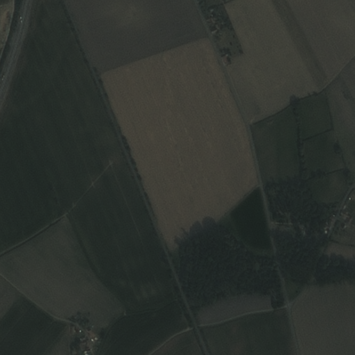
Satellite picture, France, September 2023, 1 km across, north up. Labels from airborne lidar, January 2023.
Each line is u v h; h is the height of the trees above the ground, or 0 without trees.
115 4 0
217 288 20
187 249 35
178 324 0
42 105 0
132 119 0
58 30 0
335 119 0
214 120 0
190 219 0
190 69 0
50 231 0
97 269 0
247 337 0
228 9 0
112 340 0
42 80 0
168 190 0
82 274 0
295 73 0
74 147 0
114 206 0
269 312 0
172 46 0
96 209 0
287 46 0
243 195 0
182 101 0
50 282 0
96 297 0
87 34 0
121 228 0
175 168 0
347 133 0
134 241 0
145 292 0
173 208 0
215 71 0
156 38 0
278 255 16
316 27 0
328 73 0
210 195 0
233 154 0
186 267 25
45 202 0
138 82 0
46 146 0
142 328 0
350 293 0
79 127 0
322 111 0
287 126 0
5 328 0
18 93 0
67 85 0
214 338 0
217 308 0
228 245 28
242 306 0
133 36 0
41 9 0
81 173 0
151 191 0
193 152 0
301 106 0
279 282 9
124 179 0
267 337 0
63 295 0
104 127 0
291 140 0
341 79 0
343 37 0
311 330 0
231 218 0
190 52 0
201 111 0
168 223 0
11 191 0
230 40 0
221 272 28
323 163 0
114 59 0
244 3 0
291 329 0
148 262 0
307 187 26
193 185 0
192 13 0
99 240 0
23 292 0
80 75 0
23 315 0
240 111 0
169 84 0
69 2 0
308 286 0
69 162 0
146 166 0
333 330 0
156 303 0
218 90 0
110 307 0
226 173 0
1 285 0
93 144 0
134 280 0
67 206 0
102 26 0
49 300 0
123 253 0
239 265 27
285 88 0
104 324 0
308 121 0
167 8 0
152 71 0
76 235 0
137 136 0
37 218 0
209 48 0
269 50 0
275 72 0
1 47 0
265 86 0
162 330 0
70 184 0
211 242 18
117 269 0
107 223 0
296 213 21
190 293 27
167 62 0
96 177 0
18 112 0
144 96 0
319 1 0
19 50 0
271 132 0
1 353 0
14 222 0
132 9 0
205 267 26
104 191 0
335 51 0
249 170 0
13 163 0
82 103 0
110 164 0
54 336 0
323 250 0
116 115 0
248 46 0
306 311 0
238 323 0
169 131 0
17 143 0
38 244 0
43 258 0
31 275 0
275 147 0
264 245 0
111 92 0
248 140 0
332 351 0
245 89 0
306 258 33
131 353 0
